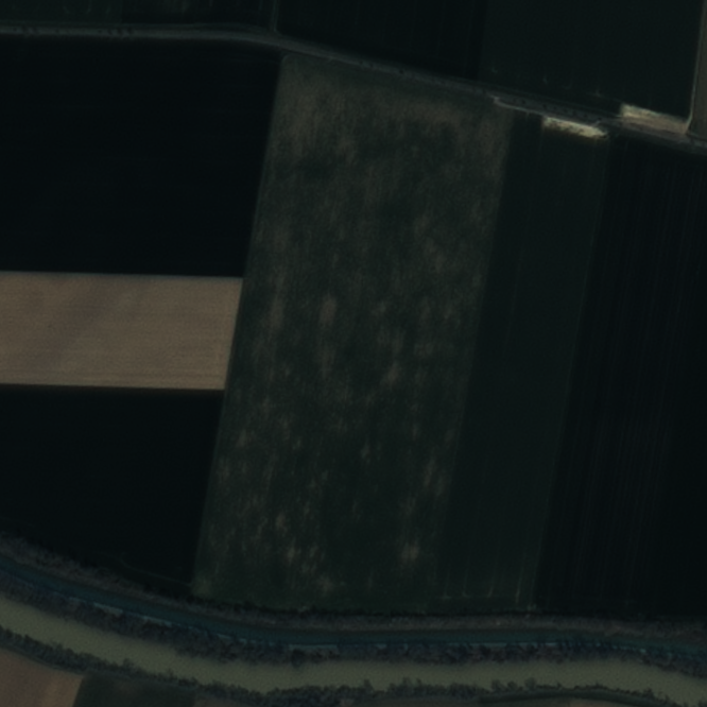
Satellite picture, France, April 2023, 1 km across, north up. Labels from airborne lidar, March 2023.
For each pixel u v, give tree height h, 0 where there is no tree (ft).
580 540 0
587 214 0
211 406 0
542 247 0
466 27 0
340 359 0
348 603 0
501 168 0
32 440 0
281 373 0
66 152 0
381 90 0
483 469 0
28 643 27
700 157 0
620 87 0
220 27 0
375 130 0
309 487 0
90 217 0
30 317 0
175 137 0
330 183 0
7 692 0
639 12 0
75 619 36
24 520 0
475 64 0
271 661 50
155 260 0
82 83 0
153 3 0
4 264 0
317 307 0
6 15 0
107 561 0
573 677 0
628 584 0
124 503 0
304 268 0
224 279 0
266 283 0
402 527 0
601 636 0
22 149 0
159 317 0
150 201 0
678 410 0
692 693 0
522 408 0
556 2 0
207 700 0
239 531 0
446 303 0
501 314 0
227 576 0
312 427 0
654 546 0
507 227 0
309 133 0
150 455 0
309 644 0
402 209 0
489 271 0
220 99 0
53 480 0
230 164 0
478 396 0
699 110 0
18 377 0
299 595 0
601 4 0
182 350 0
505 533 0
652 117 0
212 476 0
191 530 0
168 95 0
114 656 0
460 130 0
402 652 54
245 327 0
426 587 0
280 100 0
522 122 0
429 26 0
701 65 0
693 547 0
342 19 0
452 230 0
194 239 0
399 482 0
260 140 0
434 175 0
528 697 0
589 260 0
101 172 0
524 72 0
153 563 0
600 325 0
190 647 56
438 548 0
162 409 0
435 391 0
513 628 0
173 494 0
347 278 0
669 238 0
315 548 0
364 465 0
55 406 0
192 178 0
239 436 0
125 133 0
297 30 0
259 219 0
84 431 0
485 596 0
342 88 0
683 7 0
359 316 0
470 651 36
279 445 0
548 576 0
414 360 0
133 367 0
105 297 0
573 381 0
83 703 0
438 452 0
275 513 0
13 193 0
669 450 0
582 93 0
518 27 0
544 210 0
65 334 0
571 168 0
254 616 56
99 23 0
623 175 0
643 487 0
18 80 0
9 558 0
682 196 0
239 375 0
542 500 0
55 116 0
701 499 0
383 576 0
